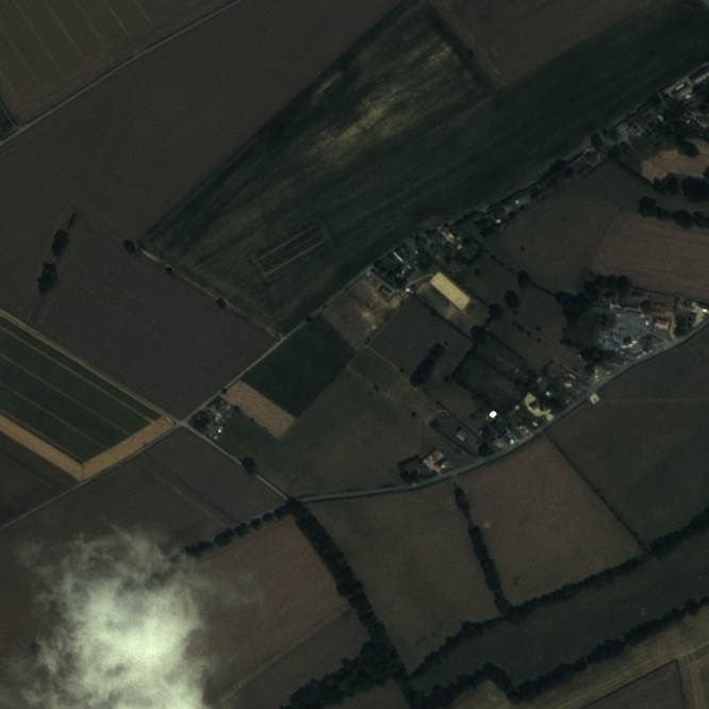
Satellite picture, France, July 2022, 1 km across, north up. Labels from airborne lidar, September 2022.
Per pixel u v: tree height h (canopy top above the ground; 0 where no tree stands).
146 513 0
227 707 0
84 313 0
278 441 0
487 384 0
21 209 0
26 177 0
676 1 0
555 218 0
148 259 0
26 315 0
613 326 0
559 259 0
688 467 0
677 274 0
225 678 0
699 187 21
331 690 16
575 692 0
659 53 0
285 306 0
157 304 0
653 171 0
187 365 0
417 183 0
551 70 0
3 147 0
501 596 17
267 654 0
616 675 0
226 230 0
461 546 0
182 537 0
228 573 0
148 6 0
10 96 0
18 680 0
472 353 8
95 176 0
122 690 0
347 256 0
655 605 0
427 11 0
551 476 0
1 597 0
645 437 0
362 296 0
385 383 0
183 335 0
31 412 0
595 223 0
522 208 7
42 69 0
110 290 0
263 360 0
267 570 0
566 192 0
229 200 0
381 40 0
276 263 0
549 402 8
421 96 0
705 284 0
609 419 0
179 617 0
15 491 0
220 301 9
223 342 0
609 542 0
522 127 0
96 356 0
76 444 0
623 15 0
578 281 0
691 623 0
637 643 11
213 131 0
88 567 0
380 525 0
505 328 0
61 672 0
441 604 0
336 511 0
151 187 0
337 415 0
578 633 0
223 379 0
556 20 0
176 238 0
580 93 0
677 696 0
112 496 0
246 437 0
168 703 0
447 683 0
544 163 0
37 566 0
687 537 22
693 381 0
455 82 0
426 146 0
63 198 0
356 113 0
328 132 0
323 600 0
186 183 0
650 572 0
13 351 0
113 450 0
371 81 0
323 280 0
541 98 0
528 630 0
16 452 0
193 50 0
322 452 0
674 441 0
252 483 0
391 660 17
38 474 0
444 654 16
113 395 0
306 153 0
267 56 0
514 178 0
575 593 13
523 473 0
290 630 0
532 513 0
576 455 0
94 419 0
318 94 0
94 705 0
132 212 0
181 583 0
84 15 0
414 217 0
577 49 0
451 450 0
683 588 0
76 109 0
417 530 0
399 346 0
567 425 0
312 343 0
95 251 0
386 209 0
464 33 0
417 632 0
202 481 0
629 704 0
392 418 0
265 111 0
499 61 0
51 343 0
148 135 0
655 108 12
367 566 0
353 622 0
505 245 0
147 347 0
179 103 0
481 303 6
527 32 0
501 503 0
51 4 0
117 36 0
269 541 0
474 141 0
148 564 0
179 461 0
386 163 0
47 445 0
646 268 0
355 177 0
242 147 0
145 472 0
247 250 0
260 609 0
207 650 0
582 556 0
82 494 0
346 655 0
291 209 0
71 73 0
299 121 0
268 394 0
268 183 0
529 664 0
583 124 0
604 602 0
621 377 0
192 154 0
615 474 0
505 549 0
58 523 0
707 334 0
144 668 0
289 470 0
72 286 0
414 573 0
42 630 0
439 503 0
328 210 0
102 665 0
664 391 0
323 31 0
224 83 0
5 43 0
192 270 0
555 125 0
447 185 0
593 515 0
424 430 0
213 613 0
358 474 0
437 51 0
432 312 7
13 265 0
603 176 0
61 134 0
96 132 0
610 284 16
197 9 0
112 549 0
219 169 0
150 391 0
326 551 16
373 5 0
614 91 0
